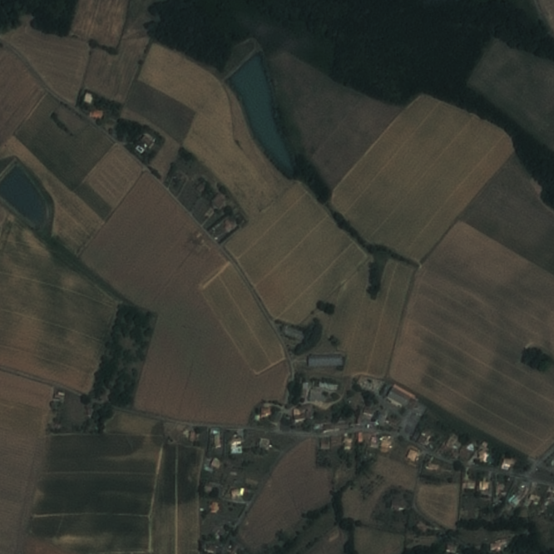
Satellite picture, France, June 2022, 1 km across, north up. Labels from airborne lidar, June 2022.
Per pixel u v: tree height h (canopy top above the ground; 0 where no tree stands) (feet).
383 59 59
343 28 47
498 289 0
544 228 0
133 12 0
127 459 0
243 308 0
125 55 0
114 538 0
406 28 44
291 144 0
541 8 0
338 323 0
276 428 0
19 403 0
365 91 48
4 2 55
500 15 66
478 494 38
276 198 0
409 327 0
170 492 0
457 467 46
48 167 0
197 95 0
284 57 0
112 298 0
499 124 44
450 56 48
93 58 0
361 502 0
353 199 0
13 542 0
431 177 0
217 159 0
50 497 0
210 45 57
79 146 0
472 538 0
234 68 0
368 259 0
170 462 0
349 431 0
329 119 0
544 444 0
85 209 0
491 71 0
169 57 0
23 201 0
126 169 0
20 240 0
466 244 0
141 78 0
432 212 0
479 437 0
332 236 0
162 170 0
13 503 0
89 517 0
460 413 0
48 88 0
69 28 25
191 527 0
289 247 0
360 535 0
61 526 0
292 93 0
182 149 21
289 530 0
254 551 0
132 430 0
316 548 0
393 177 0
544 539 0
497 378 0
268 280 0
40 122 0
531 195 0
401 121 0
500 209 0
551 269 0
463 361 0
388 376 0
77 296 0
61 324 0
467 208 0
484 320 0
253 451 37
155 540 0
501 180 0
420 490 0
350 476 0
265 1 33
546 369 76
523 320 0
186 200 0
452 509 0
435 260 0
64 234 0
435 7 48
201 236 0
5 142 0
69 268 0
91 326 0
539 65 0
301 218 0
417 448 0
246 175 0
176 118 0
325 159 0
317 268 0
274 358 0
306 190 0
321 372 0
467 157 0
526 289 0
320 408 0
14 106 0
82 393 0
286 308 0
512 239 0
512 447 0
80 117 22
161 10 69
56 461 0
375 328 0
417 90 48
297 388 55
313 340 45
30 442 0
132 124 31
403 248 0
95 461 0
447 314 0
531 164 51
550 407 0
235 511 0
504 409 0
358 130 0
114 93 0
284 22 32
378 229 0
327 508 31
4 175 0
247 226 0
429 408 0
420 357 0
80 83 0
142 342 20
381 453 0
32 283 0
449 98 44
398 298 0
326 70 0
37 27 52
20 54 0
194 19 77
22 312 0
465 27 48
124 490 0
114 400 35
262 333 0
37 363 0
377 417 0
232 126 0
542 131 0
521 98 0
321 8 55
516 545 57
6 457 0
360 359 0
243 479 0
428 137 0
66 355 0
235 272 0
